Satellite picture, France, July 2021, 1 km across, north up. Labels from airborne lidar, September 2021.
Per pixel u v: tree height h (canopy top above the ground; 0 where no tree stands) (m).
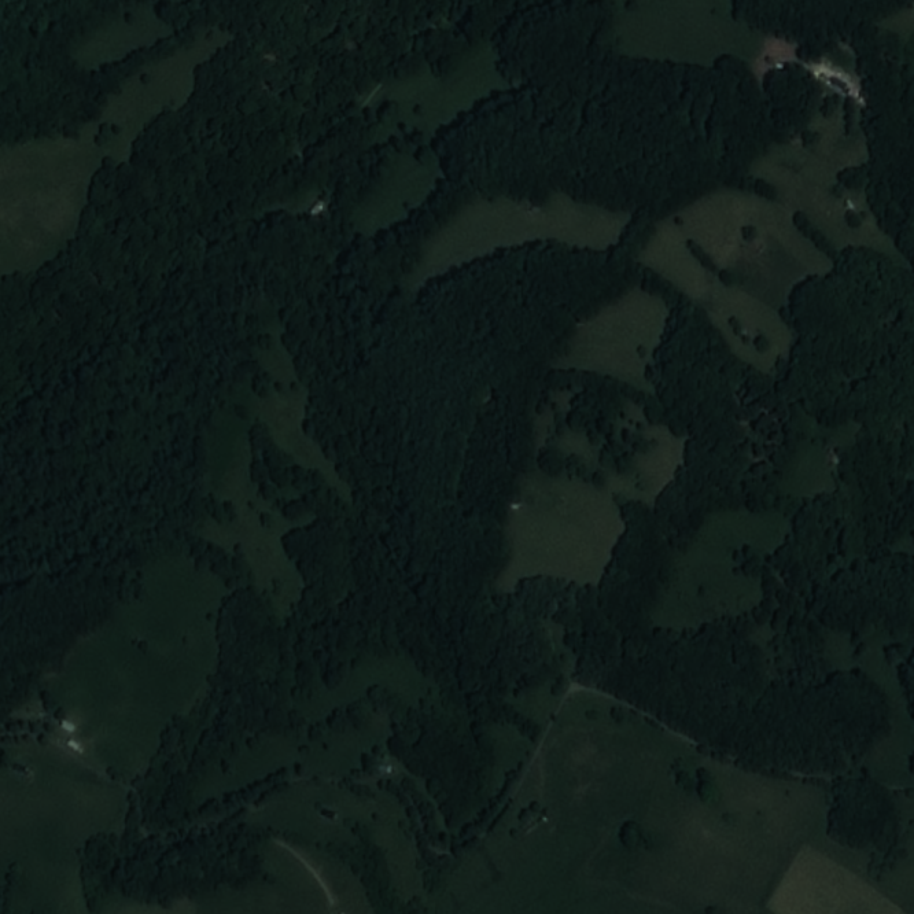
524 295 21
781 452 35
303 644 24
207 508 14
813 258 0
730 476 34
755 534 0
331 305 33
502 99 26
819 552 10
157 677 0
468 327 26
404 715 14
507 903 0
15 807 0
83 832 0
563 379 20
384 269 17
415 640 26
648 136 35
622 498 7
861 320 31
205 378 21
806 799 0
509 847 0
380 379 30
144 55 18
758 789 0
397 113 13
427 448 28
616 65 24
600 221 0
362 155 21
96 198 21
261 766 0
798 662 11
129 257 32
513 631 18
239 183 28
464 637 33
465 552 28
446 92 0
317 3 27
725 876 0
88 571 25
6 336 35
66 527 15
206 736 17
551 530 0
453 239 0
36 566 14
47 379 21
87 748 0
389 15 17
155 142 24
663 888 0
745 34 0
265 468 18
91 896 12
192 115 21
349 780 13
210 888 15
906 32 0
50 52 28
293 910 0
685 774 14
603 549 0
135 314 19
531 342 26
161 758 8
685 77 28
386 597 13
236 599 18
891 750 0
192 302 19
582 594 17
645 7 0
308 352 19
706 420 24
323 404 20
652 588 24
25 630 26
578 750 0
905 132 31
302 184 15
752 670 29
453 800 23
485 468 11
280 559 0
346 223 18
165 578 0
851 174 16
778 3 30
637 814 0
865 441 13
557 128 27
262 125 33
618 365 0
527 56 32
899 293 33
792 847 0
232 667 19
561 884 0
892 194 26
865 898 0
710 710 26
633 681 25
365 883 9
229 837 12
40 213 0
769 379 12
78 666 0
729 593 0
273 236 37
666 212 20
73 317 23
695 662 28
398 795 14
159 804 9
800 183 0
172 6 23
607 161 32
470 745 9
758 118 25
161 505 8
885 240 0
